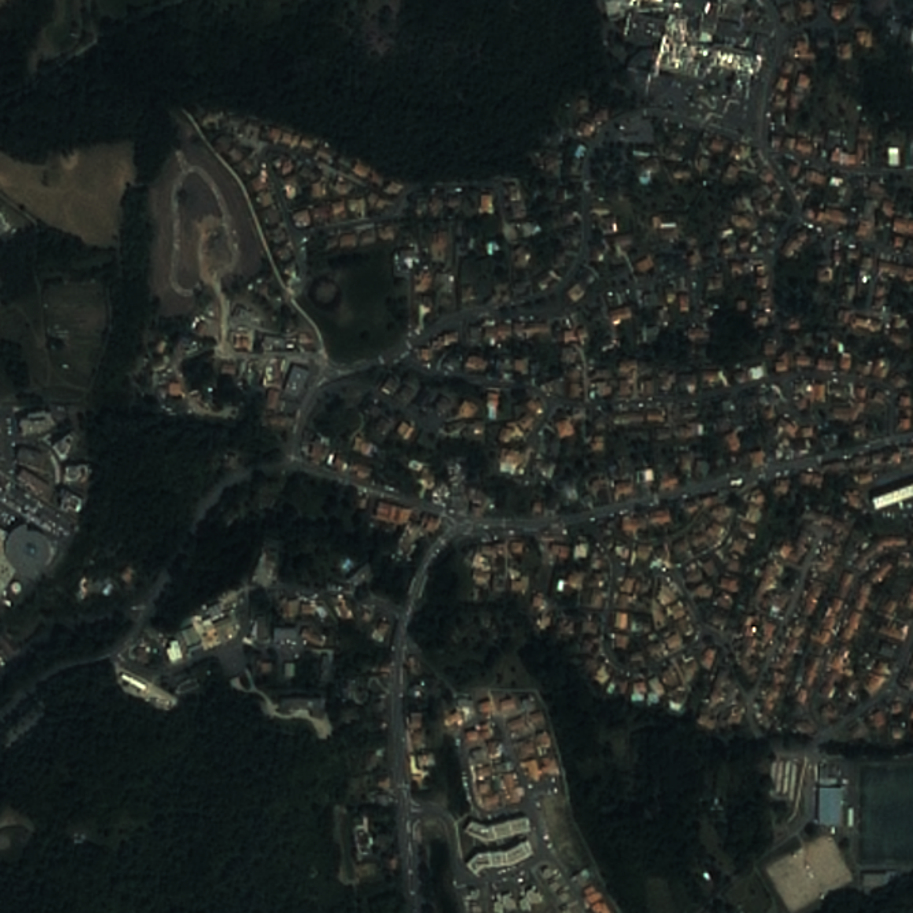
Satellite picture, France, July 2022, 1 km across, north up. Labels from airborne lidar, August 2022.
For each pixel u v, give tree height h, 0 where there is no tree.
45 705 8
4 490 0
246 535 10
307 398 0
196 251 0
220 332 0
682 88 0
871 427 12
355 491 9
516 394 9
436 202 0
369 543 15
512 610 11
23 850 6
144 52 15
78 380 0
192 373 20
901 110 6
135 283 14
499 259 14
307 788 6
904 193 7
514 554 6
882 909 14
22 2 11
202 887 14
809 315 12
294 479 10
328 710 12
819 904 0
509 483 6
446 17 10
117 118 13
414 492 9
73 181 0
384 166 11
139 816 7
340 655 6
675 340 11
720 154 6
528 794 0
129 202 10
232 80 17
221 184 0
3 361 11
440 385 13
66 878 13
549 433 8
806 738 9
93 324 0
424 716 8
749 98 0
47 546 0
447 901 7
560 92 14
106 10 0
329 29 6
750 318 7
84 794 11
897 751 10
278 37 10
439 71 8
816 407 0
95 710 18
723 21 0
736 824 20
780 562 0
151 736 11
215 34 13
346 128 14
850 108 0
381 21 10
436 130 17
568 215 0
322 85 18
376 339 0
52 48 0
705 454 11
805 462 0
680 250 11
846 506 5
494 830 0
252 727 23
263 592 11
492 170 8
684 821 16
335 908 10
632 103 7
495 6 11
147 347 6
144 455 14
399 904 13
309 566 11
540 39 13
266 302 10
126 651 0
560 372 9
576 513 7
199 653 0
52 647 21
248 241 0
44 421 0
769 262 0
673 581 0
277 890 7
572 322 6
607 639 8
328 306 6
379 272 0
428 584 9
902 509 0
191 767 9
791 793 0
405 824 0
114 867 6
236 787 13
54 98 19
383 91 23
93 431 17
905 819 0
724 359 7
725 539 0
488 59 8
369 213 8
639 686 0
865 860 0
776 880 0
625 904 9
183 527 15
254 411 10
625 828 13
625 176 10
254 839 12
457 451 9
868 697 6
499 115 16
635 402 0
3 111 12
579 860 0
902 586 0
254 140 0
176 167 0
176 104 16
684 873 10
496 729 0
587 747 11
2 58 9
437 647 15
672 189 6
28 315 0
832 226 0
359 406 6
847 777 0
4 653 0
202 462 9
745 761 6
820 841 0
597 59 9
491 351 9
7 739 8
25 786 14
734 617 7
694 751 13
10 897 19
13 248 13
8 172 0
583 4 9
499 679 7
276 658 11
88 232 0
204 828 14
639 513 13
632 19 0
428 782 6
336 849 6
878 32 9
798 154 0
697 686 7
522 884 0
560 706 11
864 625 0
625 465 0
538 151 8
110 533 10
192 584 19
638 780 10
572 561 6
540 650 16
